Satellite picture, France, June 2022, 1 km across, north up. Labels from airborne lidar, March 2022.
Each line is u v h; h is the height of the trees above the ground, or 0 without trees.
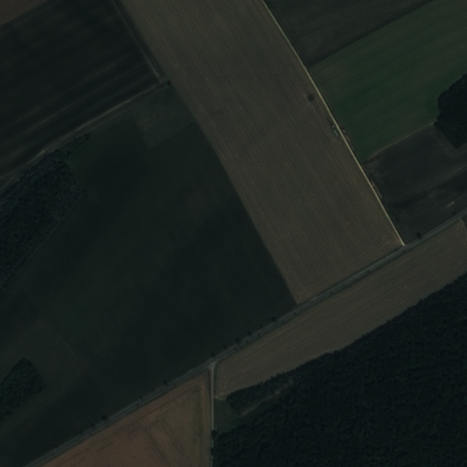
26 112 0
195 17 0
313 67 0
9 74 0
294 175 0
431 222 0
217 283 0
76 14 0
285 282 0
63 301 0
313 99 0
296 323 0
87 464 0
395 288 0
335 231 0
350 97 0
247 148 0
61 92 0
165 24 0
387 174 0
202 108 0
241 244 0
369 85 0
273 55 0
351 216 0
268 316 0
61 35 0
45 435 0
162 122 0
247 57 0
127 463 0
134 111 0
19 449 0
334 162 0
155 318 0
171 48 0
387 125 0
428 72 0
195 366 0
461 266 0
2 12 0
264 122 0
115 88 0
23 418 0
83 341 0
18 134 0
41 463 0
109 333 0
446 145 0
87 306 0
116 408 0
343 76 0
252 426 0
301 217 0
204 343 0
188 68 0
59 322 0
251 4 0
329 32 0
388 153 0
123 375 0
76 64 0
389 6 0
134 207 0
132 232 0
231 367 0
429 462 22
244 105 0
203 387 0
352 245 0
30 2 0
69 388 0
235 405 16
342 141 0
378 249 0
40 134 0
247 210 0
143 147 0
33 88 0
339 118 0
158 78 0
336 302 0
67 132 0
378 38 0
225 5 0
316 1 0
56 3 0
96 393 0
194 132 0
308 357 0
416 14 0
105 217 0
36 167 10
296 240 0
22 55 0
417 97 0
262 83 0
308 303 0
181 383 0
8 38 0
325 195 0
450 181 0
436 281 0
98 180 0
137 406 0
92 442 0
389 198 0
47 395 0
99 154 0
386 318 0
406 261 0
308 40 0
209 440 0
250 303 0
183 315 0
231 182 0
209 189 0
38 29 0
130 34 0
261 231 0
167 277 0
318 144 0
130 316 0
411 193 0
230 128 0
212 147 0
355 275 0
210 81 0
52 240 0
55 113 0
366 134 0
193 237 0
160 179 0
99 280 0
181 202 0
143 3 0
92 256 0
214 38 0
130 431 0
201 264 0
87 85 0
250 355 0
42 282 0
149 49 0
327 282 0
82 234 0
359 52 0
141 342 0
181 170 0
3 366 0
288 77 0
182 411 0
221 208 0
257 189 0
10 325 0
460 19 0
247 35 0
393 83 0
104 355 0
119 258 0
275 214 0
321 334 0
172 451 0
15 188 13
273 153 0
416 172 0
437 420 19
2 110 0
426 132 0
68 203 13
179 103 0
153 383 0
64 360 0
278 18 0
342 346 0
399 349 21
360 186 0
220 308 0
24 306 0
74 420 0
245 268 0
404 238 0
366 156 0
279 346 0
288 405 23
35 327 0
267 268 0
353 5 0
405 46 0
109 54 0
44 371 0
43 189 17
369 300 0
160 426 0
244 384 0
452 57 0
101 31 0
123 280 0
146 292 0
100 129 0
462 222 0
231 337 0
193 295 0
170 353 0
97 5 0
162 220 0
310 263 0
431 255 0
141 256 0
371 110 0
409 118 0
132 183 0
